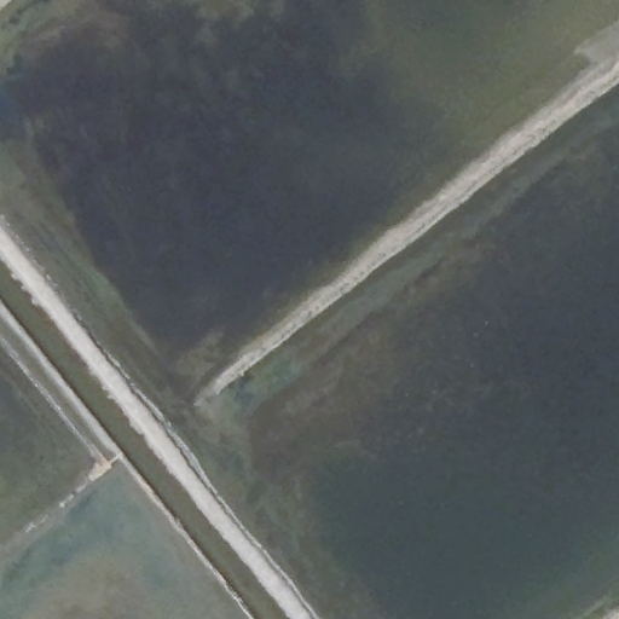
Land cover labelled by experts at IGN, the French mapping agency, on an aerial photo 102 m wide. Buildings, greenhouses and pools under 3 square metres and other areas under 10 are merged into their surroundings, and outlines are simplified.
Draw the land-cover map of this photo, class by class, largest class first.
<instances>
[{"label":"water","instance_id":"1","mask_svg":"<svg viewBox=\"0 0 619 619\"><path fill-rule=\"evenodd\" d=\"M604 58H619V0H0V225L19 247V251L31 261V266L44 276V280L51 285L58 300L68 307L73 319L82 326V331L89 336V341L104 355V360L121 375L126 387L140 389L162 411L164 421L172 423V430H177L186 440V445L193 450L201 467L206 469L218 498H222L225 505H230L242 530L249 532L261 544V549H266L268 559L293 578V583L300 590V597L317 612L319 619H619V85H614L607 94L597 97L585 109H580L568 121H563L554 133H549L539 145L530 147L513 164L503 167L462 206L447 213L426 235L406 244L382 266H377L365 280H360L346 295H341L324 312L312 317L288 341L273 348L268 355H264L235 382H230L220 394L210 389V384L225 368H230L242 355V351L251 341L273 331L312 293L343 276L348 266L358 261L387 230L409 220L418 206L438 196L472 162L481 160L488 150H493L501 138L522 128L539 109L549 106L588 68H595ZM0 302L31 336V341L41 348L48 363L58 370V375L97 418L104 433L118 445V450L135 467V472L150 484L155 496L179 520V525L189 532V537L206 554V559L222 573L227 585L242 597L254 619H288L280 604L251 573V568L198 510L189 491L179 484V479L152 452L145 435L131 426L123 409L89 372L82 355L70 346L63 331L56 326V322L48 317V312L31 300L29 290L12 276L7 264L0 259ZM0 336L19 353V358L36 375V380L51 389V397L60 401L63 411H68V418L77 423L80 435H89L92 430L73 409V404L60 394V389L51 382V377L41 370L34 355L27 351V346L0 319ZM94 459L0 346V619H242L232 600L220 590L215 580H210L203 573L196 559L179 544L174 532L164 525V520L155 513V508L145 501L138 486L121 472L118 464H111V469L82 493V501H77L70 510L56 505L63 496L70 493L73 486H77L82 476L92 472Z\"/></svg>","mask_w":619,"mask_h":619},{"label":"pervious surface","instance_id":"2","mask_svg":"<svg viewBox=\"0 0 619 619\"><path fill-rule=\"evenodd\" d=\"M614 85H619V58H604L595 68H588L549 106L539 109L522 128L501 138L493 150H488L481 160L472 162L438 196L418 206L409 220L387 230L358 261L348 266L343 276L312 293L273 331L251 341L242 351V355L230 368H225L210 384V389L220 394L230 382H235L264 355H268L273 348L288 341L312 317L324 312L341 295H346L360 280H365L377 266H382L406 244L426 235L447 213L462 206L503 167L513 164L530 147L539 145L549 133H554L563 121H568L580 109H585L597 97L607 94ZM0 259L7 264L12 276L29 290L31 300L48 312V317L56 322V326L63 331L70 346L82 355L89 372L123 409L131 426L145 435L152 452L179 479V484L189 491L198 510L251 568V573L280 604L288 619H319L317 612L300 597V590L293 583V578L268 559L266 549H261V544L249 532L242 530L230 505H225L222 498H218L206 469L201 467L193 450L186 445V440L177 430H172V423L164 421L162 411L140 389L126 387L121 375L104 360V355L89 341V336L82 331V326L73 319L68 307L58 300L51 285L44 280V276L31 266V261L19 251V247L0 225ZM0 319L27 346V351L34 355L41 370L51 377V382L60 389V394L73 404V409L92 430L89 435H80L77 423L68 418V411H63L60 401L51 397V389L36 380V375L19 358V353L0 336V346L94 459L92 472L82 476L77 486H73L70 493L63 496L56 505L70 510L77 501H82V493L111 469V464H118L121 472L138 486L145 501L155 508V513L164 520V525L174 532L179 544L196 559L203 573L210 580H215L220 590L232 600L242 619H254L242 597L227 585L222 573L206 559V554L189 537V532L179 525V520L155 496L150 484L135 472V467L118 450V445L104 433L97 418L58 375V370L48 363L41 348L31 341V336L0 302Z\"/></svg>","mask_w":619,"mask_h":619}]
</instances>
